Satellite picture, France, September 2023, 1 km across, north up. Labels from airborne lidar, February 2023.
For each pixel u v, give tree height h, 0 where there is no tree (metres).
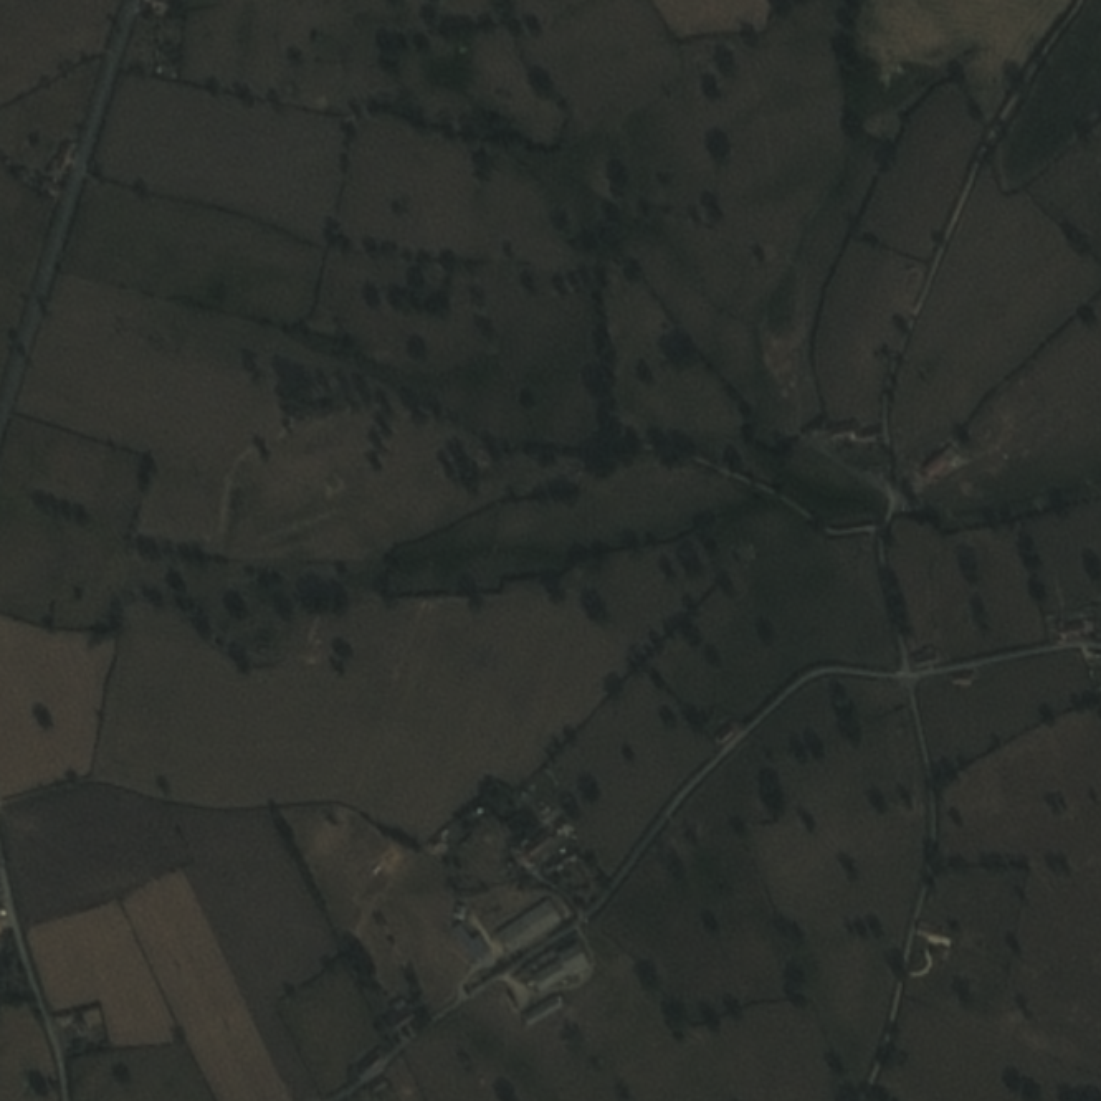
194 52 0
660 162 0
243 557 0
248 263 0
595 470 20
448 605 0
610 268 0
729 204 0
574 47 0
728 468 11
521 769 0
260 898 0
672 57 0
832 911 0
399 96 0
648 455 0
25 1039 0
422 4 0
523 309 0
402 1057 0
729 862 0
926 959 0
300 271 0
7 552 0
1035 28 0
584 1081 0
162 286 0
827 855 0
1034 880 0
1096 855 0
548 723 0
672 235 0
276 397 6
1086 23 0
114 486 0
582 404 0
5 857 7
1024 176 0
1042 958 0
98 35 0
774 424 0
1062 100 0
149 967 0
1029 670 0
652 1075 0
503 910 0
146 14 9
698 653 0
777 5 17
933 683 0
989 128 0
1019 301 0
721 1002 0
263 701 0
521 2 0
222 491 0
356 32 0
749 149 0
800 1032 0
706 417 0
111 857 0
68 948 0
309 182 0
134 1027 0
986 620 13
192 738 0
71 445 0
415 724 0
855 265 0
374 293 15
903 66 0
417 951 0
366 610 0
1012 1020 0
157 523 0
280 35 0
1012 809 0
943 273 0
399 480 0
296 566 0
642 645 0
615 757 0
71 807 0
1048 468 0
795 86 0
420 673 0
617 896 0
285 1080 0
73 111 0
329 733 0
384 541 0
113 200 0
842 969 0
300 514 0
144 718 0
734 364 0
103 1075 0
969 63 0
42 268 0
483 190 0
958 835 0
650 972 17
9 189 0
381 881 0
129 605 17
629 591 0
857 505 0
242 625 0
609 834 0
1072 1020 0
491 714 0
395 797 0
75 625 0
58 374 0
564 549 0
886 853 0
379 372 0
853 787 0
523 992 0
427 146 0
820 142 0
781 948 0
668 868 18
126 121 0
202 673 0
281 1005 0
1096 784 0
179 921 0
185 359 0
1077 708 11
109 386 0
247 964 0
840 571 0
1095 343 0
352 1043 0
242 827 0
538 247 0
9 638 0
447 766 0
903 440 0
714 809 0
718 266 0
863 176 0
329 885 0
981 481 0
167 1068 0
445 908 0
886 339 0
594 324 0
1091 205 0
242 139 0
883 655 0
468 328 0
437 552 0
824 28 0
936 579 0
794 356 0
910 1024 0
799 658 0
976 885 0
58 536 0
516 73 0
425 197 0
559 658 0
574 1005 0
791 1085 0
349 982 0
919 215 0
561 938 0
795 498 0
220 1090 0
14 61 0
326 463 0
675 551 0
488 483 0
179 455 0
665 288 0
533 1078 0
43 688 0
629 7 0
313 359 0
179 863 0
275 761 0
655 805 0
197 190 0
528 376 0
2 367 0
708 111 0
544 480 0
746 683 0
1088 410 0
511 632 0
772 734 0
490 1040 0
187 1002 0
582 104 0
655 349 0
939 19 0
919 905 0
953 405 0
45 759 0
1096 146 0
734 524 0
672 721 13
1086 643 0
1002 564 0
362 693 0
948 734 0
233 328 0
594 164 0
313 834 0
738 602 0
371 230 0
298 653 0
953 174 0
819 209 0
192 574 0
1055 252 0
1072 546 0
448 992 0
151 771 0
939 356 0
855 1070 0
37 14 0
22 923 0
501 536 0
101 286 0
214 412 0
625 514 0
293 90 0
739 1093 0
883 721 0
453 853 0
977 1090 0
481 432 0
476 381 0
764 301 0
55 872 0
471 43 0
